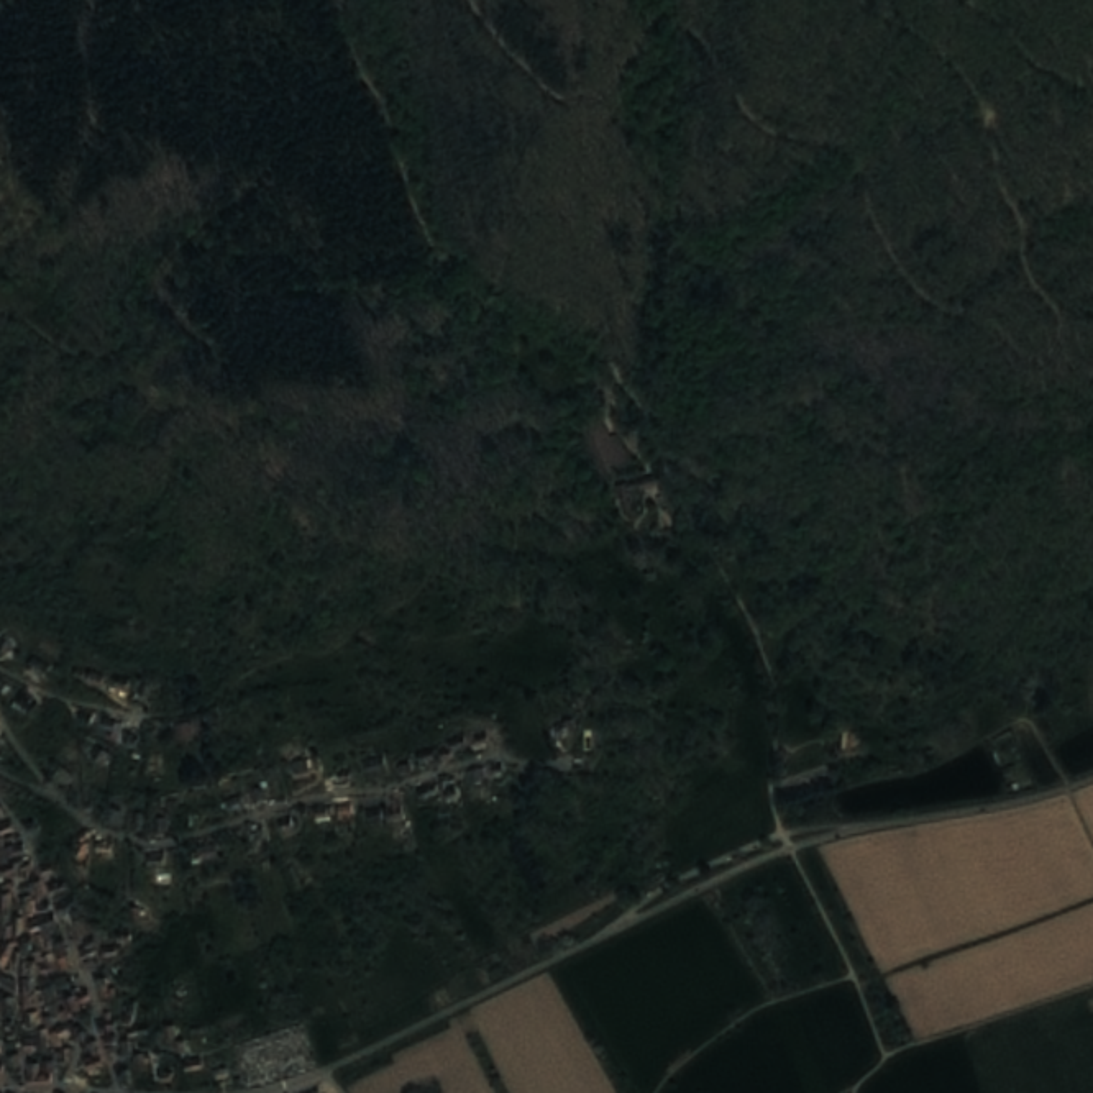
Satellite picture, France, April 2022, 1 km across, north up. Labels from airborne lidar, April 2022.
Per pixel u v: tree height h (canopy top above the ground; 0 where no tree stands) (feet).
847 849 0
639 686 66
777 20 68
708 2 56
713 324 68
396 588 20
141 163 70
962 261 55
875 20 58
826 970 28
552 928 0
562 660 0
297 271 94
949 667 54
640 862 52
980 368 34
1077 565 42
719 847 0
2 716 0
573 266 47
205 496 58
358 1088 0
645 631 26
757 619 61
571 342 53
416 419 77
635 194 94
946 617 47
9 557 24
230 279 93
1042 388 32
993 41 63
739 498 48
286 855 0
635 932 0
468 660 0
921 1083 0
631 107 37
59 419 55
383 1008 0
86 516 26
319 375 82
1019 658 46
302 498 56
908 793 0
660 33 71
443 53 51
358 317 86
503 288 70
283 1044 0
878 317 70
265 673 27
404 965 0
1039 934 0
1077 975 0
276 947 24
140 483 36
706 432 49
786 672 47
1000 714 0
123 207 67
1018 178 54
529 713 0
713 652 69
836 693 45
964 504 50
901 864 0
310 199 87
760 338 58
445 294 88
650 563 47
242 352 79
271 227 75
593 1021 0
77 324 56
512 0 28
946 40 60
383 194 100
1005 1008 0
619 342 51
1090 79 49
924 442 30
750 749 0
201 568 57
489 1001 0
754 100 52
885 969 0
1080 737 0
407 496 62
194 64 94
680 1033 0
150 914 0
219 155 86
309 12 95
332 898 22
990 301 48
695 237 68
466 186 54
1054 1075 0
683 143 83
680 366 51
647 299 39
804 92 72
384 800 0
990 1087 0
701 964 0
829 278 63
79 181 61
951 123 41
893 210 58
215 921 0
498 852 58
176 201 71
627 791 33
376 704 27
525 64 33
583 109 54
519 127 43
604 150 66
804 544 62
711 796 0
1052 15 56
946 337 65
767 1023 0
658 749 73
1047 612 47
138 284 62
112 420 55
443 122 74
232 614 37
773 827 0
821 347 59
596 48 52
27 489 66
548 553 35
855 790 0
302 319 87
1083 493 52
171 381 62
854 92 40
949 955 0
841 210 79
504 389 98
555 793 46
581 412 70
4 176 54
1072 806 0
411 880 36
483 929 0
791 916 0
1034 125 55
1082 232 49
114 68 98
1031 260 40
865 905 0
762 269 43
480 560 73
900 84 67
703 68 57
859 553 57
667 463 38
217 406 33
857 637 45
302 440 81
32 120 71
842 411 65
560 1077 0
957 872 0
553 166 58
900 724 35
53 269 69
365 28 84
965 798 0
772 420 47
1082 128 52
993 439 27
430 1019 0
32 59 89
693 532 65
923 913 0
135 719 0
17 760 24
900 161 68
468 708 40
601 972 0
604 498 35
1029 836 0
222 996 0
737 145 53
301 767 0
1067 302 45
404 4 77
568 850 52
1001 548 41
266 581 25
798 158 44
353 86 98
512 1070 0
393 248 94
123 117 75
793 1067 0
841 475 68
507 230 48
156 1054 19
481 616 45
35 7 73
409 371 61
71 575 26
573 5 31
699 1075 0
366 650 21
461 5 51
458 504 94
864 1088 0
